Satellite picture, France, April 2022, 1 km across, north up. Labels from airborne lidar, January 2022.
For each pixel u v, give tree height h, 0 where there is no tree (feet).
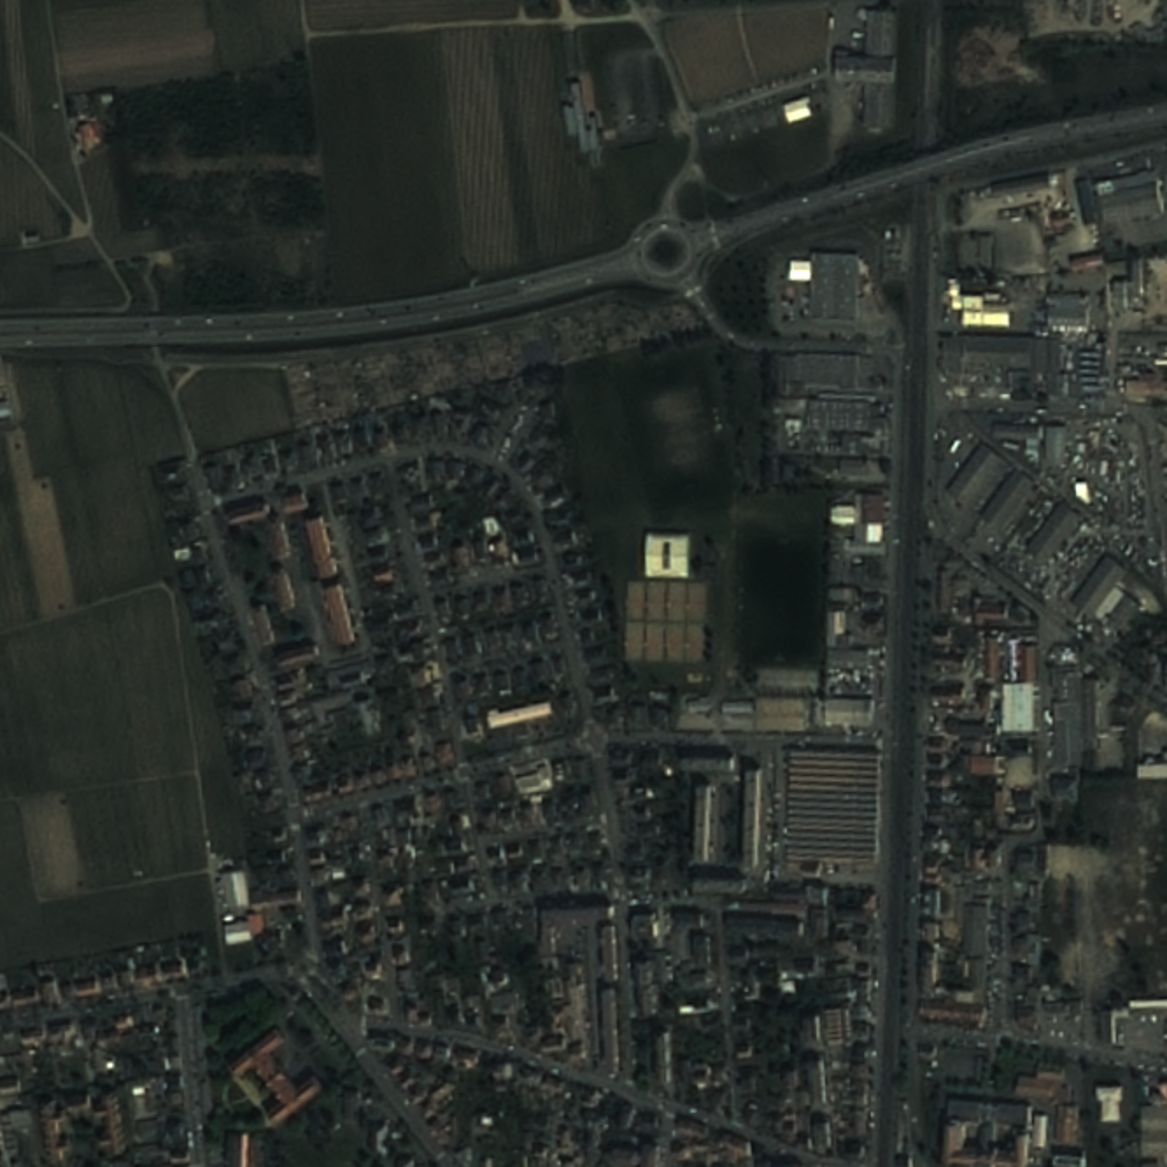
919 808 0
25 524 0
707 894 19
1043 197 0
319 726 18
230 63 0
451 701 0
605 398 0
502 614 21
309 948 0
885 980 0
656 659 0
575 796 29
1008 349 0
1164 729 0
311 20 0
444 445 0
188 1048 0
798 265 0
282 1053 0
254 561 0
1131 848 0
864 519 0
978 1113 0
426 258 0
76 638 0
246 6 0
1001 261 0
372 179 0
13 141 0
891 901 0
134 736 0
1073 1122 0
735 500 0
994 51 0
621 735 0
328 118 0
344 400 0
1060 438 0
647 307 0
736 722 0
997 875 0
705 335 26
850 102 0
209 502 0
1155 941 0
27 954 0
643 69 0
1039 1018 0
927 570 0
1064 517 0
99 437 0
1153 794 0
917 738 0
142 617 0
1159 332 0
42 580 0
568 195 0
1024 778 0
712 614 0
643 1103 0
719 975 0
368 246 0
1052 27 0
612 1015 0
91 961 0
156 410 0
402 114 0
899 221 0
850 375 0
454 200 0
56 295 0
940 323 0
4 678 0
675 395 0
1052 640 0
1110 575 0
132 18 0
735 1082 0
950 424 0
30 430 0
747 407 0
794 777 0
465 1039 0
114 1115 0
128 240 0
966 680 0
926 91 0
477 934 0
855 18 0
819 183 0
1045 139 0
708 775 0
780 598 0
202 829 0
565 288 0
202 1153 0
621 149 0
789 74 0
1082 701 0
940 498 0
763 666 0
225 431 0
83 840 0
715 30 0
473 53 0
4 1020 38
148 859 0
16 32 0
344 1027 0
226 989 31
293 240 0
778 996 29
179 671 0
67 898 0
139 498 0
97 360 0
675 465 0
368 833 0
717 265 0
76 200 0
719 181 0
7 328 0
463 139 0
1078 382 0
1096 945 0
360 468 0
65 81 0
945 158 0
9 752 0
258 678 0
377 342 0
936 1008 0
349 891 0
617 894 0
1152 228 0
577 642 0
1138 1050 0
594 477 0
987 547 0
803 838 0
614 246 0
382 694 36
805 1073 24
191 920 0
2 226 0
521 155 0
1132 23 0
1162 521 0
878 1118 0
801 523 0
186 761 0
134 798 0
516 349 0
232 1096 0
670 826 29
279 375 0
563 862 0
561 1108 0
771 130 0
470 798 0
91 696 0
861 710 0
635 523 0
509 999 0
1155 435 0
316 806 0
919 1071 0
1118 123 0
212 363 0
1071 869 0
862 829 0
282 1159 34
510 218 0
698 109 0
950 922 0
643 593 0
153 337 0
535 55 0
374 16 0
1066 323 0
